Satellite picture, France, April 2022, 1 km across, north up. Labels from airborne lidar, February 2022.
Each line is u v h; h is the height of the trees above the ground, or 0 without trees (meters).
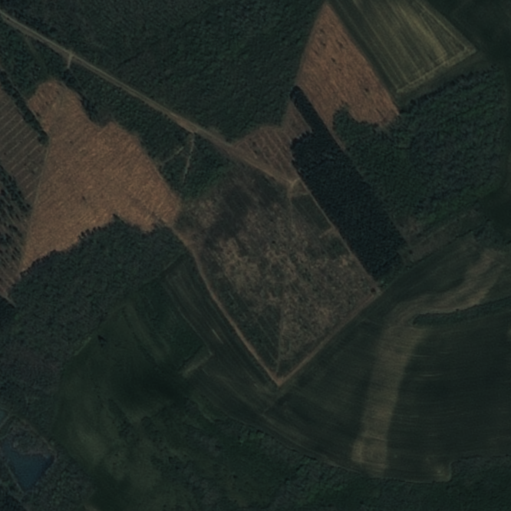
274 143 0
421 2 0
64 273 18
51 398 9
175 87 11
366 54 0
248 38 15
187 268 0
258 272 0
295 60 9
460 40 0
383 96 0
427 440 0
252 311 0
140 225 0
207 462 0
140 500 0
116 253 23
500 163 20
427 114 20
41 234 0
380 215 20
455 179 19
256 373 0
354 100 0
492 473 8
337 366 0
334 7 0
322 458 0
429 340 0
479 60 0
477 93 23
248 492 0
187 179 7
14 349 28
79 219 0
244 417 0
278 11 13
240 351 0
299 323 0
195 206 0
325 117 0
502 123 15
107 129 0
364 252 20
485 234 15
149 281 15
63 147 0
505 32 0
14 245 23
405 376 0
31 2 7
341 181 21
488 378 0
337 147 19
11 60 18
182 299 0
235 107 5
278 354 0
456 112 25
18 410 14
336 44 0
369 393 0
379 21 0
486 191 15
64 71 12
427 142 17
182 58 8
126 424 9
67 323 27
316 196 22
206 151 12
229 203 0
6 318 17
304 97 20
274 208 0
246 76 8
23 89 19
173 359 0
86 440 0
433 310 0
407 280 0
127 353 0
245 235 0
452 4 0
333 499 5
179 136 9
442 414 0
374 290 12
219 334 0
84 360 0
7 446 0
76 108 0
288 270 0
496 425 0
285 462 11
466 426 0
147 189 0
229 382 0
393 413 0
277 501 17
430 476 0
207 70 10
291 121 10
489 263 0
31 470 0
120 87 6
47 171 0
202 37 10
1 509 21
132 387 0
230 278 0
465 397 0
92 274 20
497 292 0
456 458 0
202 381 0
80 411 0
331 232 0
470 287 0
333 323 0
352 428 0
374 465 0
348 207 23
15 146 0
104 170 0
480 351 0
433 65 0
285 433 0
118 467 0
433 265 0
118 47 6
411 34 0
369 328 0
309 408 0
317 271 0
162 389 0
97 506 0
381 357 0
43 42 15
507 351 0
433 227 7
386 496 9
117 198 0
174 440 0
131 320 0
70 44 9
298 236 0
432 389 0
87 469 0
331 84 0
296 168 19
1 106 0
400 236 16
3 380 18
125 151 0
